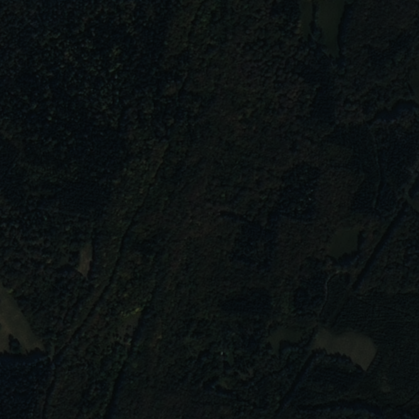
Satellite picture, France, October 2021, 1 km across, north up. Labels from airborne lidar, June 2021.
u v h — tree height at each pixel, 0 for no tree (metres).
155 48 28
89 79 14
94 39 23
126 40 24
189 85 28
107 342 9
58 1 18
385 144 24
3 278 8
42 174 21
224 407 29
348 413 15
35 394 22
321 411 15
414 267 19
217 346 18
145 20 18
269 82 31
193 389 28
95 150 21
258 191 24
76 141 21
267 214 14
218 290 21
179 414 18
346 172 26
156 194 25
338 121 21
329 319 7
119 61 13
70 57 21
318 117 26
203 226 29
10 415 26
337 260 0
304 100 25
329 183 29
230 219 25
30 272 14
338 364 19
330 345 0
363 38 23
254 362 15
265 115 25
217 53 25
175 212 20
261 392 18
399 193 16
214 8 18
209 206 30
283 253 24
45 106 22
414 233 23
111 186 19
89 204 14
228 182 23
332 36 0
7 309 0
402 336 7
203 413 24
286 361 11
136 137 22
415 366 7
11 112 20
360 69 20
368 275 24
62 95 24
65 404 26
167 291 14
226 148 23
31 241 12
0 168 20
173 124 25
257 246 19
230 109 27
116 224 23
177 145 27
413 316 6
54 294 15
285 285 20
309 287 25
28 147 20
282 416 16
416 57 16
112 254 19
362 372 16
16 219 7
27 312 19
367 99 8
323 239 23
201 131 20
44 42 17
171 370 13
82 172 11
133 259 26
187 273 18
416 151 22
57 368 19
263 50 31
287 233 22
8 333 0
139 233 27
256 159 27
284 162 23
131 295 19
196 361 6
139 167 26
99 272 19
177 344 13
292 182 18
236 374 9
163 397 22
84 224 14
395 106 0
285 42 29
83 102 23
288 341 0
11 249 14
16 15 22
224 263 26
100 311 24
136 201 24
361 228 20
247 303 18
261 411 20
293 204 23
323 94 22
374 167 20
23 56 24
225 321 10
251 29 34
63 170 19
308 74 25
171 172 23
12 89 29
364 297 6
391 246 22
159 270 13
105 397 24
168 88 29
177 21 28
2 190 15
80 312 19
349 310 6
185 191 27
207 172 28
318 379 17
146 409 24
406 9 28
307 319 20
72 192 24
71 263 6
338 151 20
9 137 21
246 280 24
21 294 12
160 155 28
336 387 18
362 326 8
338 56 0
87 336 24
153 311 21
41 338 11
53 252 9
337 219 24
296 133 24
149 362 27
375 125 21
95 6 12
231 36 28
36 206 8
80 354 18
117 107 25
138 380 31
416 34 20
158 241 22
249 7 21
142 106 24
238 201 25
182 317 10
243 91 28
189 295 14
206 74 24
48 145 21
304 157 26
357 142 20
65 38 20
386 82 23
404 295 7
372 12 27
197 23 28
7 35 15
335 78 20
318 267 15
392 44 19
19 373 22
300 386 15
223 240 24
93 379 22
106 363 20
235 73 28
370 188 19
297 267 22
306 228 26
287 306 22
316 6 12
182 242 20
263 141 24
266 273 27
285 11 20
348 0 21
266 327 16
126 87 14
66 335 14
